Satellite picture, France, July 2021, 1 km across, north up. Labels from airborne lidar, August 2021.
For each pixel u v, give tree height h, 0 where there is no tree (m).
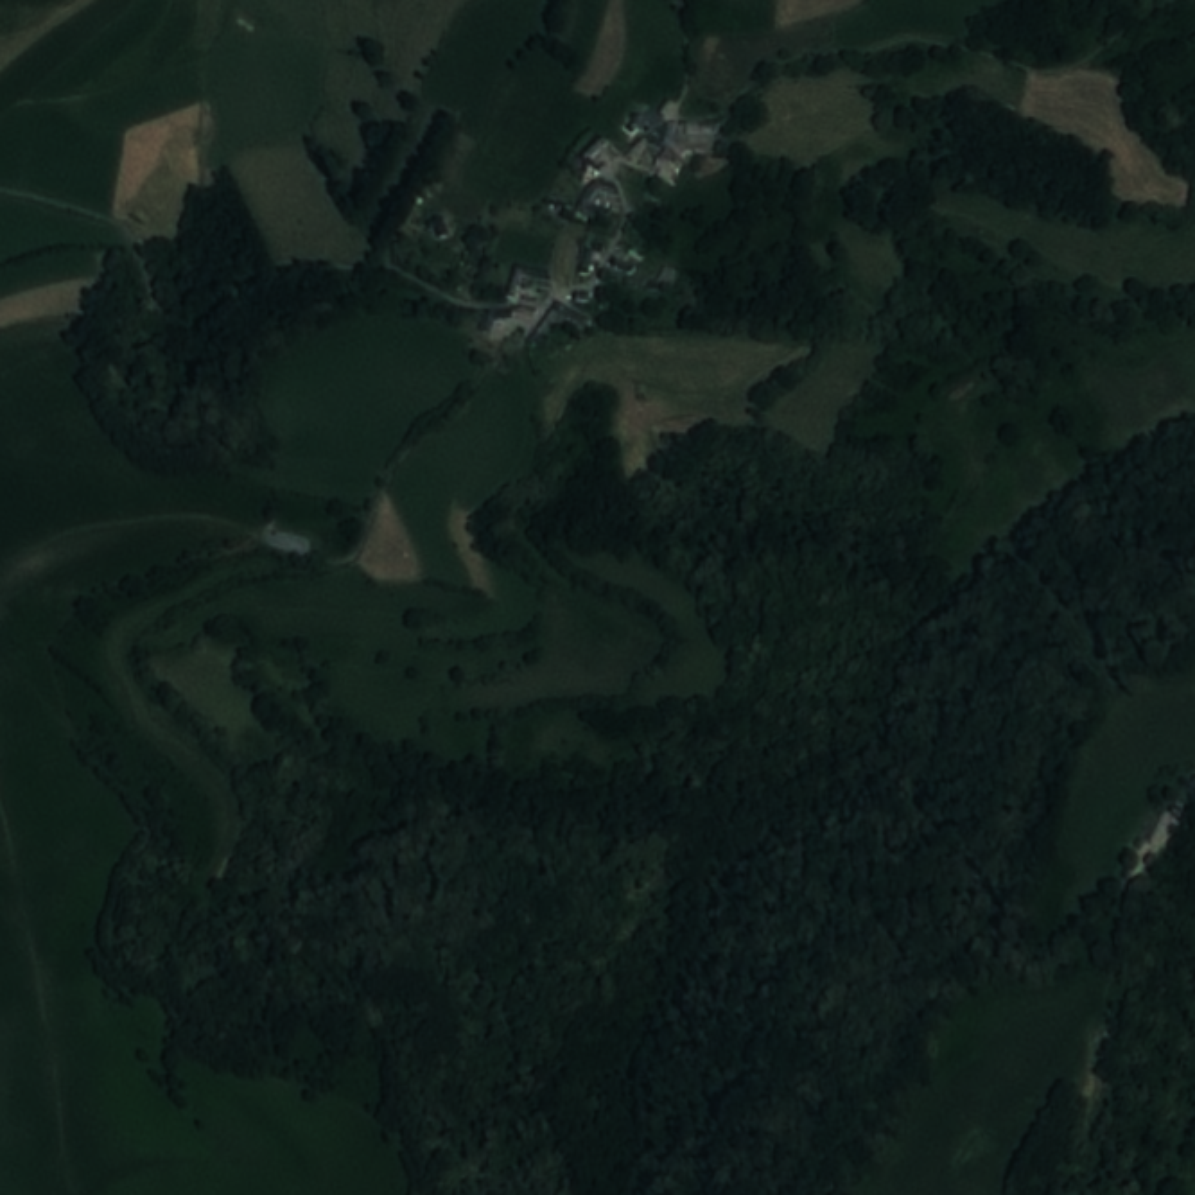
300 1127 0
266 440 25
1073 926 10
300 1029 18
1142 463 27
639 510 22
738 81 0
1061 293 14
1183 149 15
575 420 13
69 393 0
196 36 0
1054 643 16
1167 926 24
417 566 0
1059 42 13
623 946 11
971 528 0
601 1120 18
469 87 0
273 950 24
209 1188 0
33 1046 0
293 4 0
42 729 0
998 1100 0
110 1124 0
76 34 0
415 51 0
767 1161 24
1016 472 0
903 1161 0
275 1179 0
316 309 18
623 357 0
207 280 16
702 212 11
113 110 0
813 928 28
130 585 17
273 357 14
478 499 0
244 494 0
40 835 0
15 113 0
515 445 0
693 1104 24
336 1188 0
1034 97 0
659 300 8
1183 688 0
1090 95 0
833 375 0
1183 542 23
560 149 0
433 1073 21
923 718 27
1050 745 24
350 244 0
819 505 17
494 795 27
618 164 0
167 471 20
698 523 30
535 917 24
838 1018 18
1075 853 0
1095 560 29
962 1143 0
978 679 23
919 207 24
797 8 0
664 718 15
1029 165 28
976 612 29
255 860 21
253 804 20
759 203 11
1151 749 0
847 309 26
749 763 20
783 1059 31
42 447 0
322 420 0
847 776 25
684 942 22
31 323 0
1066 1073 0
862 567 17
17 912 0
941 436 0
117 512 0
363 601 0
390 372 0
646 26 0
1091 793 0
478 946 24
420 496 0
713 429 21
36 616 0
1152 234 0
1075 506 27
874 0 7
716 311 15
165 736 0
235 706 0
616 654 0
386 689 0
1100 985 0
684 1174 29
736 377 0
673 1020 26
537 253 0
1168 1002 13
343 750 22
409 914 21
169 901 18
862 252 0
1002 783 30
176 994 20
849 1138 25
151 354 28
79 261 0
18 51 0
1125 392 0
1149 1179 29
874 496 20
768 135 0
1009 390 16
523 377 0
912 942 27
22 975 0
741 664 21
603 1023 18
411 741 11
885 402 8
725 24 0
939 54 20
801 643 18
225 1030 23
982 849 29
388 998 20
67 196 0
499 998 21
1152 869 8
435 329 0
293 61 0
